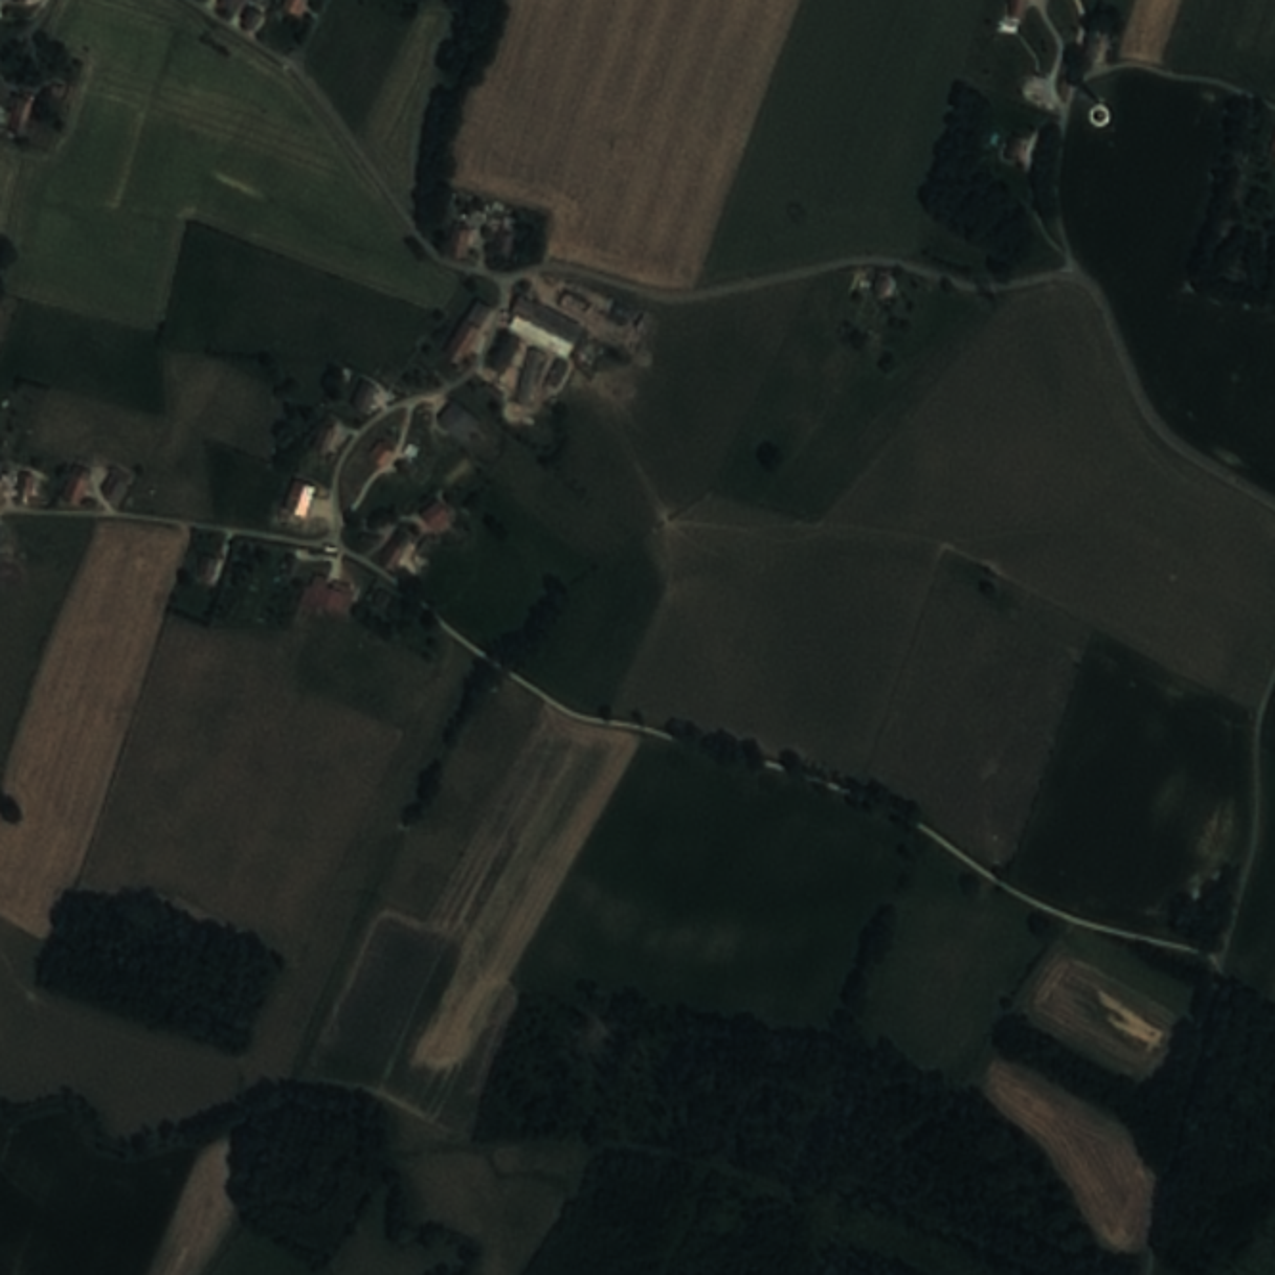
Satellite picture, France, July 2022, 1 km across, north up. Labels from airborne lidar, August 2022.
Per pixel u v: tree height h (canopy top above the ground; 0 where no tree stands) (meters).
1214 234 16
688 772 0
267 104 0
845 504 0
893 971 0
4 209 0
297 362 0
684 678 0
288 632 0
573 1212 9
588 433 0
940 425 0
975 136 20
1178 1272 16
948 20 0
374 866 0
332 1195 12
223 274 0
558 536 0
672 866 0
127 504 0
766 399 0
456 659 0
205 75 0
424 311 0
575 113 0
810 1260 10
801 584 0
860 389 0
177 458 0
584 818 0
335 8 0
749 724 0
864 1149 37
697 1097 26
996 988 0
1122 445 0
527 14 0
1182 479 0
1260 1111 20
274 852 0
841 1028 13
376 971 0
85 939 25
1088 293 0
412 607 13
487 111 0
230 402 0
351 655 0
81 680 0
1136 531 0
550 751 0
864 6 0
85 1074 0
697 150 0
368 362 0
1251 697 0
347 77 0
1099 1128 0
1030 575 0
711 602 0
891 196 0
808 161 0
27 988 0
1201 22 0
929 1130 27
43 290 0
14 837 0
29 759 0
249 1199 18
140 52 0
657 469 0
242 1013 24
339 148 0
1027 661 0
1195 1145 26
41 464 8
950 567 0
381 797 0
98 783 0
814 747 0
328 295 0
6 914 0
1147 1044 0
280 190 0
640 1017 11
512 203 0
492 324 0
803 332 0
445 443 0
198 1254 0
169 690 0
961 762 0
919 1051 0
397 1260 0
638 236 0
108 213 0
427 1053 0
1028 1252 25
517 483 0
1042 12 0
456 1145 0
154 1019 13
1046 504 0
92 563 0
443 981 0
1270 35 0
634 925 0
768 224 0
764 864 0
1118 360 0
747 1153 25
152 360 0
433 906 0
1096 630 0
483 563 0
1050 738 0
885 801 19
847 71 0
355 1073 0
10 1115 13
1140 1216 0
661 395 0
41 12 0
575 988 0
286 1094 16
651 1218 12
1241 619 0
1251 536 0
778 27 0
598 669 0
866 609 0
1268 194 7
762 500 0
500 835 0
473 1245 14
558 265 0
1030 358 0
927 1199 27
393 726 0
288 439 15
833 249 0
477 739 0
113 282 0
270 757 0
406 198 0
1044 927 21
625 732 0
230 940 23
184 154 0
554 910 0
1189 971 13
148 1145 14
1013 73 0
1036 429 0
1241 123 13
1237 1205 9
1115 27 13
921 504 0
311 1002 0
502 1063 7
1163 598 0
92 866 0
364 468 0
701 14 0
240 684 0
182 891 0
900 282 9
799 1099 27
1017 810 0
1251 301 16
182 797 0
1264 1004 17
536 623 13
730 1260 9
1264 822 0
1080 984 0
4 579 0
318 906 0
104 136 0
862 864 0
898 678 0
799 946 0
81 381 0
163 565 0
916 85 0
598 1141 19
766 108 0
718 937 0
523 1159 0
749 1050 28
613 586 0
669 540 0
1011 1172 28
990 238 25
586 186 0
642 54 0
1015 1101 0
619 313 0
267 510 0
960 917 0
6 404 0
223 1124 18
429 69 0
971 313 0
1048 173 18
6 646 0
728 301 0
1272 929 0
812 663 0
